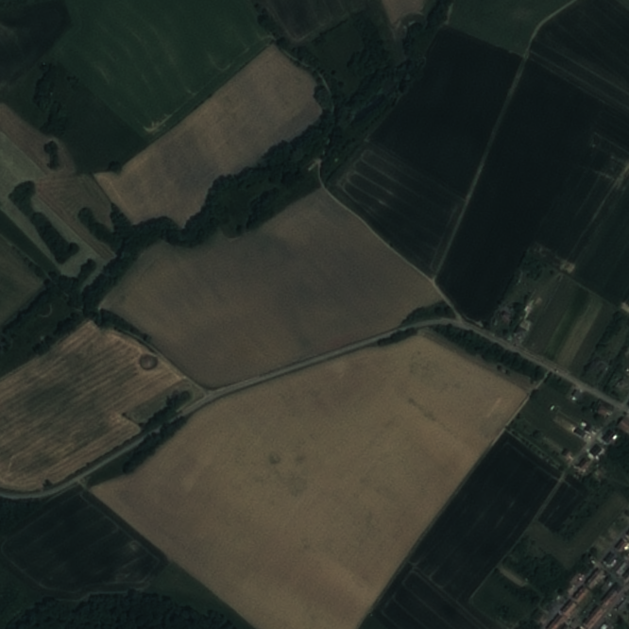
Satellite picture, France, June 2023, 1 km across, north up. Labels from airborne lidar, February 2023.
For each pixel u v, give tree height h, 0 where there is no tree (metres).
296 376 0
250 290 0
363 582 0
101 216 0
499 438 0
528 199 0
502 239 0
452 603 0
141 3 0
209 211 16
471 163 0
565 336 0
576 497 0
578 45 0
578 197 0
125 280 0
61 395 0
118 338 0
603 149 0
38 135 0
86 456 0
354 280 0
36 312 17
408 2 0
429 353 0
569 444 0
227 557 0
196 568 0
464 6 0
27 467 0
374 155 0
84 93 0
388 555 0
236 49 0
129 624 26
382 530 0
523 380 0
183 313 0
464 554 0
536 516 0
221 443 0
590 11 0
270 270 0
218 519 0
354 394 0
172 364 0
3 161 0
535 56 0
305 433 0
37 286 0
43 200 0
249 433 0
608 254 0
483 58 0
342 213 0
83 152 0
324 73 7
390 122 0
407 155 0
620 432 8
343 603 0
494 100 0
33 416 0
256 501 0
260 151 0
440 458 0
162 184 0
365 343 0
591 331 0
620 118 0
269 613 0
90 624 21
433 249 0
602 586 0
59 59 0
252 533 0
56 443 0
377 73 8
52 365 0
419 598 0
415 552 0
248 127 0
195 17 0
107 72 0
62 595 0
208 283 0
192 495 0
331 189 7
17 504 17
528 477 0
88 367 0
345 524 0
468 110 0
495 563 0
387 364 0
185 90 0
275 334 0
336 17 0
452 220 0
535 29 0
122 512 0
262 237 0
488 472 0
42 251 0
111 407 0
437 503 0
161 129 0
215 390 0
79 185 0
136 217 0
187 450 0
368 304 0
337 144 15
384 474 0
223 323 0
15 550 0
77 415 0
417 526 0
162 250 0
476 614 0
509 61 0
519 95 0
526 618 0
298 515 0
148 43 0
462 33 0
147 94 0
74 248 14
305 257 0
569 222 0
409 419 0
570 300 0
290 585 0
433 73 0
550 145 0
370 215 0
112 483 0
